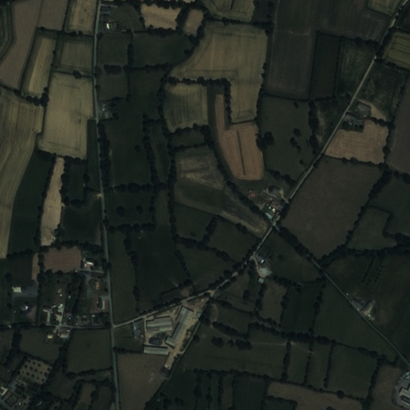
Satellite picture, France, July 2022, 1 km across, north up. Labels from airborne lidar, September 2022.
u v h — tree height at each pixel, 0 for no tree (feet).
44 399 34
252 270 53
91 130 0
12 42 0
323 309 0
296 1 0
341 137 0
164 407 33
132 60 47
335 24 0
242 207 0
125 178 0
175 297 0
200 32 55
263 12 0
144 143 24
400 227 0
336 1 0
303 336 58
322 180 0
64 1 0
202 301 0
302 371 0
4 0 50
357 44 68
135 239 0
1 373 0
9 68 0
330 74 0
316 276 0
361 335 0
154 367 0
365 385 0
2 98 0
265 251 0
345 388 0
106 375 0
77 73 39
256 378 33
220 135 0
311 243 0
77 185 0
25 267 0
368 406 33
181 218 0
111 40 0
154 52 0
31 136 0
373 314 0
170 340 0
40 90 0
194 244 49
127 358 0
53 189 0
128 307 0
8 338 0
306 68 0
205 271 0
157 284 0
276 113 0
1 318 0
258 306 53
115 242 0
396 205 0
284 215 42
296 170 0
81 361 0
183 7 57
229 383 0
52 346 0
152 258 0
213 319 0
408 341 0
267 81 0
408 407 0
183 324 0
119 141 0
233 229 0
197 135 0
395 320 0
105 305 0
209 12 31
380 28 0
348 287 0
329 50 0
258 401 0
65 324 0
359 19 0
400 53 0
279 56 0
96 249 28
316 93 0
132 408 0
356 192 0
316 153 40
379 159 0
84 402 0
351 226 0
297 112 0
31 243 0
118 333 0
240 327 0
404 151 0
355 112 0
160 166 0
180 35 40
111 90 0
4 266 0
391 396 0
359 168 0
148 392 0
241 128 0
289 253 0
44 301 0
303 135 0
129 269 0
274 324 47
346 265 0
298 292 52
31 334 0
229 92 48
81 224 0
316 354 0
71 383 0
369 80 23
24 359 34
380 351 0
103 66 0
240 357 0
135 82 0
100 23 20
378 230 0
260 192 0
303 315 0
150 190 45
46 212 0
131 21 0
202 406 0
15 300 0
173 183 45
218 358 0
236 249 0
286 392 0
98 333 0
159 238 0
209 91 0
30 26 0
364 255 34
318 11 0
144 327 0
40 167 0
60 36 23
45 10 0
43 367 0
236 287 0
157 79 0
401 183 0
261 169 0
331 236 0
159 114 41
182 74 0
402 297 0
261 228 0
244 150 0
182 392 0
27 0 0
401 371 0
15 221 0
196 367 0
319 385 0
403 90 41
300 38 0
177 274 0
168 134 58
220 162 26
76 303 32
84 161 33
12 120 0
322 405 0
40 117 0
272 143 52
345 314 0
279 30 0
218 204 0
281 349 0
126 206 0
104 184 29
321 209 0
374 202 0
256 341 0
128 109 0
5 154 0
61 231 20
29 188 0
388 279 0
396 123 0
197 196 0
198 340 54
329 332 0
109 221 39
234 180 0
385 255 64
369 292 0
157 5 43
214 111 0
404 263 0
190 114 0
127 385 0
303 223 0
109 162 35
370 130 0
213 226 44
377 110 0
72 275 20
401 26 0
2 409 20
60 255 0
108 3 17
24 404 20
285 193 0
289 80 0
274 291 0
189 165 0
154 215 21
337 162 0
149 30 40
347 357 0
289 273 0
